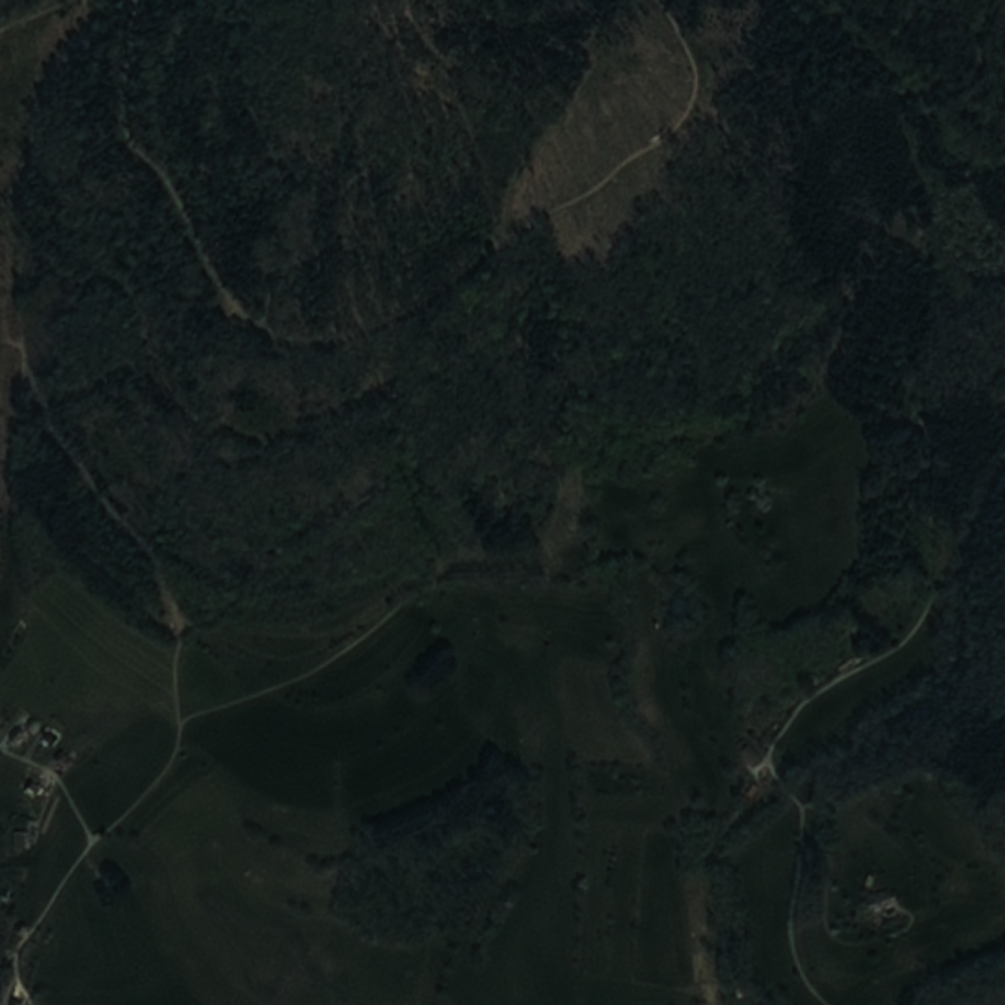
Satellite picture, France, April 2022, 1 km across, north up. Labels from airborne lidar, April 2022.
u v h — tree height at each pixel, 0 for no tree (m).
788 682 22
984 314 27
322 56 19
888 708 24
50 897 0
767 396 24
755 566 0
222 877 0
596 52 0
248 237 15
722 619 0
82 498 23
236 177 12
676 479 0
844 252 27
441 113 25
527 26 21
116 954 0
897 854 0
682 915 0
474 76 25
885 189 27
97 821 0
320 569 23
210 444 19
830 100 22
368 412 28
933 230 21
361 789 0
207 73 15
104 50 21
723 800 0
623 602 18
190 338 23
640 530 0
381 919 26
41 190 26
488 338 30
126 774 0
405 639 0
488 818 24
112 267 21
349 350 26
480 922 43
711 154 24
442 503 19
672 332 21
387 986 0
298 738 0
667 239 27
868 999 0
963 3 21
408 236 25
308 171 17
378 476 22
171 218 24
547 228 25
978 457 29
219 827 0
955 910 0
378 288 23
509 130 22
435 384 25
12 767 0
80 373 25
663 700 0
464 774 0
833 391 20
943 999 16
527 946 0
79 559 21
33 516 20
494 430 29
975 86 21
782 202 28
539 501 24
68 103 26
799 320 27
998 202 29
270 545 28
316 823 0
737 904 24
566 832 0
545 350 23
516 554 25
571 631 0
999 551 21
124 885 23
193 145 17
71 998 0
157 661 0
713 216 25
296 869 0
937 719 19
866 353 24
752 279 25
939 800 0
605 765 8
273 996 0
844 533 0
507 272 26
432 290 25
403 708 0
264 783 0
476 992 0
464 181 30
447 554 20
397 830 26
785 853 0
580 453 28
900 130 26
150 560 24
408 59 21
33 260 29
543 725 0
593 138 0
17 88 0
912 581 24
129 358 21
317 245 19
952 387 27
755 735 7
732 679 22
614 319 24
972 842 0
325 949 0
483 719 0
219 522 22
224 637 0
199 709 0
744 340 25
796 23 33
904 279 27
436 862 38
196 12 19
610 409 22
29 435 22
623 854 0
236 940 0
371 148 22
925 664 0
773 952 0
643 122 0
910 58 21
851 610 17
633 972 0
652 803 0
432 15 24
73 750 0
